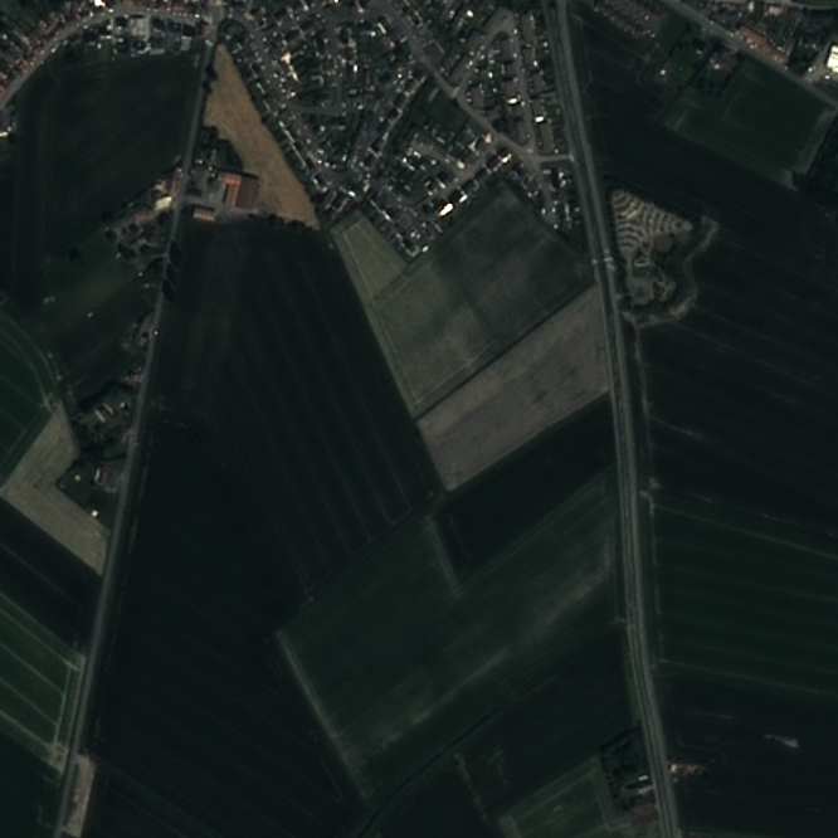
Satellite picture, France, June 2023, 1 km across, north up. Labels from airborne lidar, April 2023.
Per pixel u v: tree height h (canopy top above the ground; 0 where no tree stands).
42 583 0
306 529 0
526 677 0
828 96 0
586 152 0
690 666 0
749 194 0
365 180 0
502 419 0
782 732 0
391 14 0
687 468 0
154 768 0
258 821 0
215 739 0
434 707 0
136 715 0
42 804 0
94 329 0
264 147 0
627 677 0
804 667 0
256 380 0
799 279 0
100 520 0
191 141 0
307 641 0
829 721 0
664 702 0
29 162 0
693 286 0
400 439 0
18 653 0
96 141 0
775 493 0
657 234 0
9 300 0
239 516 0
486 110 0
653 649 0
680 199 0
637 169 0
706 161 0
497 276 0
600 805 0
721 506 0
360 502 0
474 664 0
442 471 0
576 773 0
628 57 0
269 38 0
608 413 0
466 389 0
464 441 0
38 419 0
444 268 0
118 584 0
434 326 0
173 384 0
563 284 0
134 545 0
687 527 0
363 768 0
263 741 0
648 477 0
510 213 0
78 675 0
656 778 0
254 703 0
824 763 0
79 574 0
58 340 0
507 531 0
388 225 0
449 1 0
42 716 0
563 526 0
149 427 0
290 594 0
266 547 0
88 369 0
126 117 0
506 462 0
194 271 0
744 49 0
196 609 0
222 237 0
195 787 0
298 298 0
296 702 0
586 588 0
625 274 6
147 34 0
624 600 0
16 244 0
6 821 0
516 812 0
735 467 0
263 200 0
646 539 0
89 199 0
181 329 0
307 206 0
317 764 0
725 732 0
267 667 0
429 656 0
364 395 0
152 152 0
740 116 0
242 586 0
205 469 0
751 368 0
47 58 0
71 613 0
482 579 0
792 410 0
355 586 0
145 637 0
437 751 0
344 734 0
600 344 0
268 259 0
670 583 0
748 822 0
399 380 0
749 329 0
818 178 11
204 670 0
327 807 0
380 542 0
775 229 0
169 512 0
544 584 0
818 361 0
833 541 0
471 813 0
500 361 0
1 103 0
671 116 0
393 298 0
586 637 0
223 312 0
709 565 0
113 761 0
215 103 0
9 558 0
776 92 0
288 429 0
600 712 0
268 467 0
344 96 0
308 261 0
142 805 0
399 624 0
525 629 0
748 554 0
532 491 0
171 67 0
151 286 0
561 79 0
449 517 0
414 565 0
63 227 0
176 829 0
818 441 0
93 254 0
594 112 0
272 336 0
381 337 0
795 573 0
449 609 0
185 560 0
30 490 0
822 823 0
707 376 0
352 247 0
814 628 0
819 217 0
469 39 0
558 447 0
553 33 0
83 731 0
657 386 0
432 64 0
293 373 0
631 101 0
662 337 0
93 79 0
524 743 0
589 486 0
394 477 0
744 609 0
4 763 0
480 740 0
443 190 0
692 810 0
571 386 0
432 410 0
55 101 0
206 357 0
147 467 0
